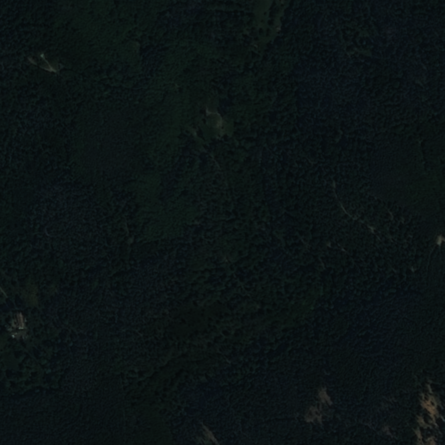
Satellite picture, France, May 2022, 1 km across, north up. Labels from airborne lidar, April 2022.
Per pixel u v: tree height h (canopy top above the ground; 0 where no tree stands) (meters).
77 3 23
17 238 15
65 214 25
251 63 13
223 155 17
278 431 19
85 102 11
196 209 19
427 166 18
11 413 22
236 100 23
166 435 28
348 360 20
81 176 16
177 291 29
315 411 0
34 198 9
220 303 21
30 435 23
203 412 34
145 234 21
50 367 29
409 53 19
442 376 29
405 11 12
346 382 21
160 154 30
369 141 13
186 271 35
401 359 19
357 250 24
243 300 31
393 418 18
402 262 22
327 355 27
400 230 21
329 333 17
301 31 22
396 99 26
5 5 13
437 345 17
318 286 21
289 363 20
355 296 21
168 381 18
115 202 24
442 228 11
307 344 22
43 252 29
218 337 27
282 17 0
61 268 26
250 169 17
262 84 18
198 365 30
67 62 11
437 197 13
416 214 10
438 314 18
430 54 21
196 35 24
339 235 20
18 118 23
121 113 20
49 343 8
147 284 26
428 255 12
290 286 23
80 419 16
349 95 31
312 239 24
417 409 12
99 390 17
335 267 33
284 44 19
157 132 19
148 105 15
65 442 19
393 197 13
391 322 26
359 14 24
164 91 15
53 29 8
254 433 19
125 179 19
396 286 14
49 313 22
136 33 23
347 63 31
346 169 21
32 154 10
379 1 26
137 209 25
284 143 35
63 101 11
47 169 13
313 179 20
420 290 17
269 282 23
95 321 24
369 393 20
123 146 17
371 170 14
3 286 18
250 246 29
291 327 6
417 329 19
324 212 16
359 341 29
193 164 25
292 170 22
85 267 21
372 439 18
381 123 14
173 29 23
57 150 10
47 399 19
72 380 26
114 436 14
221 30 22
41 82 16
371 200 17
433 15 13
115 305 28
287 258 31
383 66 24
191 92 27
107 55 24
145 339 9
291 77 21
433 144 18
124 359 29
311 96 10
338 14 37
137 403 16
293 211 29
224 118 0
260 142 29
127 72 22
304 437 24
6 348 7
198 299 26
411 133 10
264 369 15
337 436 21
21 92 18
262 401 22
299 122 33
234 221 22
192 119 25
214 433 35
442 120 12
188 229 20
